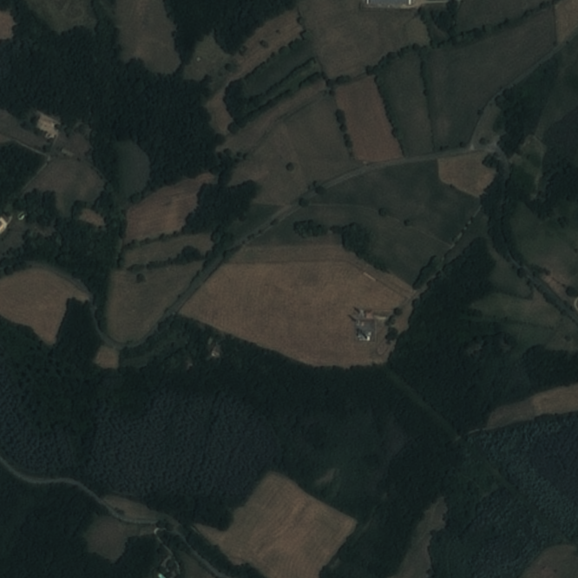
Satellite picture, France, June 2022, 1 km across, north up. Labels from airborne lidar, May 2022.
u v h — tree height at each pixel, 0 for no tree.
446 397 21
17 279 0
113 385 19
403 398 10
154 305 0
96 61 15
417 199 0
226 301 0
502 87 6
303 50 0
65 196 0
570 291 12
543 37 0
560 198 23
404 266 0
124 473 18
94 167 7
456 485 7
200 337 11
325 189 12
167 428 16
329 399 14
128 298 0
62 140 0
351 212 0
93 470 22
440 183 0
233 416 19
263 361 14
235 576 11
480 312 10
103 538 0
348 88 0
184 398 19
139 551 16
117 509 6
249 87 0
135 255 0
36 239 10
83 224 13
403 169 0
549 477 11
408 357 13
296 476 9
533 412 0
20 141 0
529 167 0
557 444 17
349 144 12
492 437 9
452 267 15
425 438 15
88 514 11
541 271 10
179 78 16
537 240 0
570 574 0
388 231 0
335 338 0
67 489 13
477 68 0
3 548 8
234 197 21
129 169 0
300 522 0
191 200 0
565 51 0
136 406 7
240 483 15
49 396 8
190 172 19
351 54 0
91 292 12
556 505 12
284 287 0
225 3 9
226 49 15
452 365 18
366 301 0
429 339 13
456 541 6
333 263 0
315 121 0
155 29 0
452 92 0
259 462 13
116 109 18
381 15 0
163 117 13
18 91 15
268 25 0
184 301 0
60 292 0
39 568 10
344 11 0
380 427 11
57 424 15
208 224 19
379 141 0
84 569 16
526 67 0
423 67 11
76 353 13
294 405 14
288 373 14
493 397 11
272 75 0
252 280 0
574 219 0
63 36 13
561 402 0
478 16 0
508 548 14
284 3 20
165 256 0
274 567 0
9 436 20
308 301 0
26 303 0
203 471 19
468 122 0
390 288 0
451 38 11
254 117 16
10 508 8
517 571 11
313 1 0
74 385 13
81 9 0
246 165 0
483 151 0
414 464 16
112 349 0
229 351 12
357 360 0
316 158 0
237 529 0
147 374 16
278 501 0
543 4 9
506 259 8
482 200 12
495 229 15
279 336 0
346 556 14
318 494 7
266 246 0
